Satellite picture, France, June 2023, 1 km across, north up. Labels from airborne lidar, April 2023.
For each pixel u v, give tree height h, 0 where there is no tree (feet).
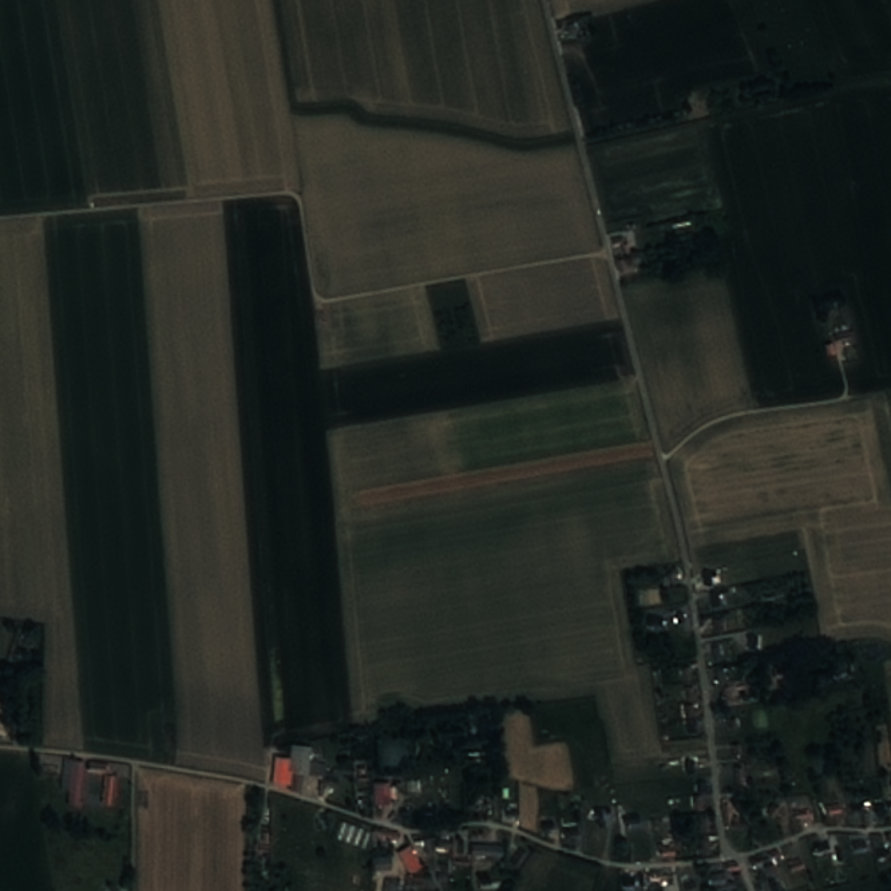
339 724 0
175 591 0
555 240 0
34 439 0
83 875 0
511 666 0
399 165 0
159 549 0
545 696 0
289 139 0
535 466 0
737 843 0
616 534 0
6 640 0
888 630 0
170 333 0
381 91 0
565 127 0
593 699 0
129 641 0
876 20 0
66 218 0
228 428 0
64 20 0
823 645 57
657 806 0
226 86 0
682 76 0
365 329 0
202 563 0
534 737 0
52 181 0
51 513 0
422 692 0
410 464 0
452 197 0
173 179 0
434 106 0
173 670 0
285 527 0
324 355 0
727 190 0
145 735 0
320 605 0
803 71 0
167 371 0
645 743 0
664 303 0
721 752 0
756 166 0
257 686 0
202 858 0
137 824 0
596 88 0
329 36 0
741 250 0
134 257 0
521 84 0
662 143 0
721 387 0
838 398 0
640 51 0
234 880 0
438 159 0
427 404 0
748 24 0
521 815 0
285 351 0
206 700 0
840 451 0
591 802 0
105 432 0
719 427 0
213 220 0
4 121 0
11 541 0
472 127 0
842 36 0
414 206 0
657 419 0
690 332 0
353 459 0
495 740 85
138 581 0
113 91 0
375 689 0
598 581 0
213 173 0
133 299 0
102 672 0
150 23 0
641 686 0
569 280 0
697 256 56
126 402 0
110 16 0
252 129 0
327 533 0
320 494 0
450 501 0
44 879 0
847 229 0
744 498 0
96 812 0
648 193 0
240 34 0
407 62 0
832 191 0
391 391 0
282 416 0
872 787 0
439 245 0
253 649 0
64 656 0
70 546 0
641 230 0
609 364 0
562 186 0
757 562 0
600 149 0
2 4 0
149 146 0
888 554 0
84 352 0
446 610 0
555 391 0
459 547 0
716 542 0
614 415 0
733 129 0
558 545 0
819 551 0
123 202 0
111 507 0
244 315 0
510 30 0
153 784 0
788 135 0
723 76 0
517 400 0
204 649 0
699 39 0
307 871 0
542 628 0
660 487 0
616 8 0
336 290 0
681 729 0
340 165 0
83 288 0
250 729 0
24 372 0
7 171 0
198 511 0
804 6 0
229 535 0
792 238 0
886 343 0
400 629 0
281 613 0
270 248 0
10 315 0
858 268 0
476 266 0
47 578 0
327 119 0
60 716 0
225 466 0
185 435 0
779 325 0
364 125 0
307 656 0
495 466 0
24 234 0
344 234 0
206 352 0
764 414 0
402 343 0
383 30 0
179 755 0
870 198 0
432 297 0
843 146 0
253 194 0
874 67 0
